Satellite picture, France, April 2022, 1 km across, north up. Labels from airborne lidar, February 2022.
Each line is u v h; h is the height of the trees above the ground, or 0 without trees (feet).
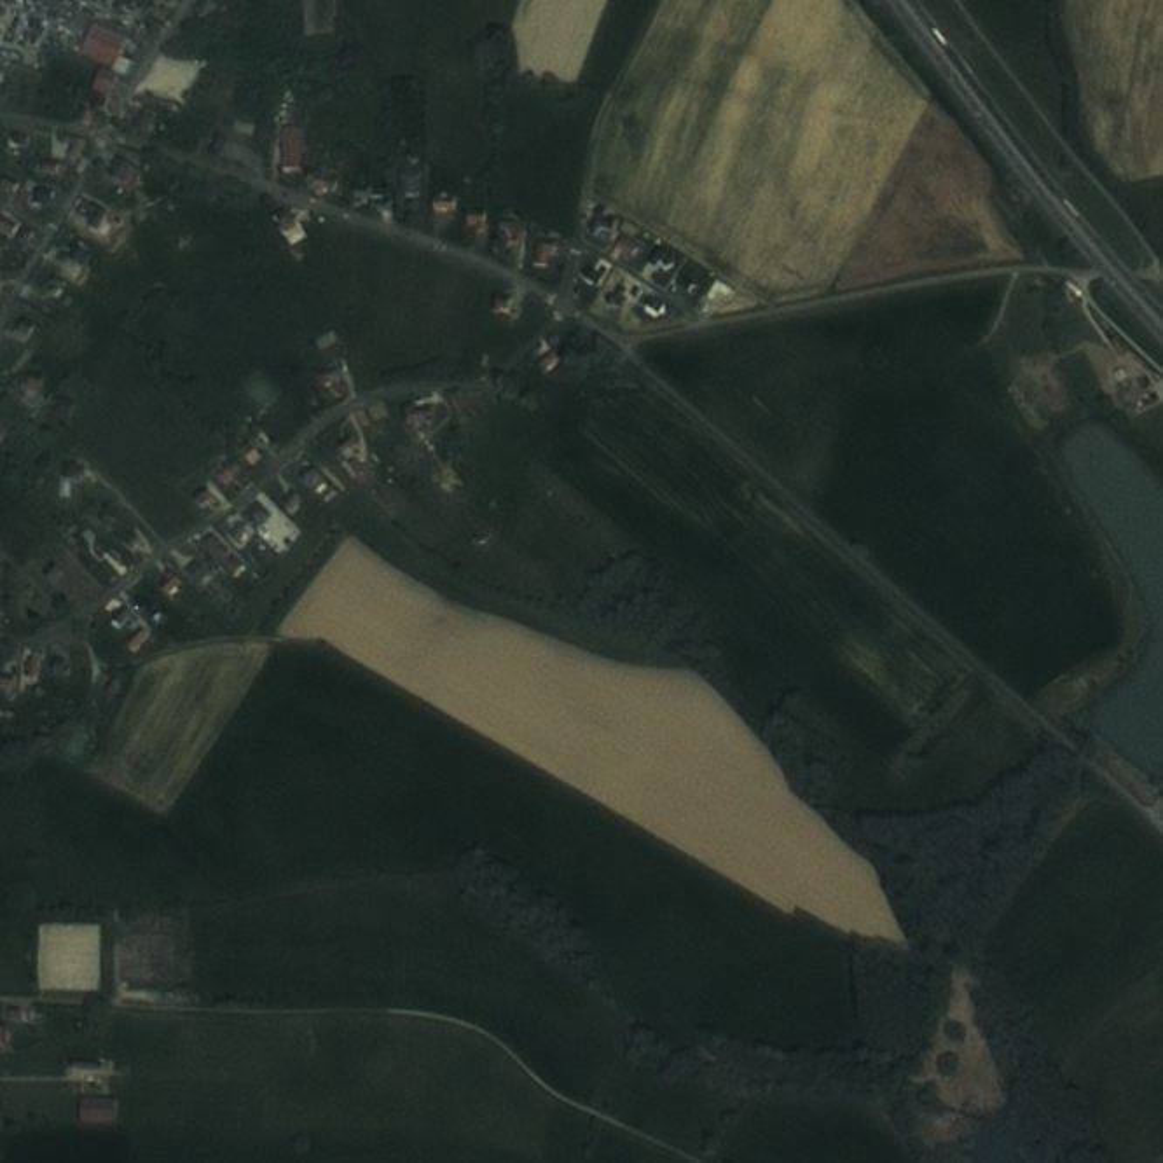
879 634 0
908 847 54
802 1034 0
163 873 0
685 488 0
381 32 0
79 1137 0
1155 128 0
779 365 0
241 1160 0
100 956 0
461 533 0
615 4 0
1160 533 0
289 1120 0
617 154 0
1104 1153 36
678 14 0
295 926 0
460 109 0
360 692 0
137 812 0
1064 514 0
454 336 0
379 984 0
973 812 60
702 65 0
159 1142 0
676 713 0
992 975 56
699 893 0
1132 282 0
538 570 0
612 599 28
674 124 0
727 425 0
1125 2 0
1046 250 0
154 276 0
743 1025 0
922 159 0
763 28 0
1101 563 0
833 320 0
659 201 0
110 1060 0
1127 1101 0
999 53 0
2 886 0
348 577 0
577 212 0
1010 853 76
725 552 0
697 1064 23
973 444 0
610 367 52
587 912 0
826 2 0
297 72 30
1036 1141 64
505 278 0
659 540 0
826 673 0
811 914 0
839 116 0
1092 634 0
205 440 0
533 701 0
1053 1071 48
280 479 0
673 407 0
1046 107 0
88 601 0
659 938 0
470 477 0
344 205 0
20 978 0
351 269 0
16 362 0
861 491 0
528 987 0
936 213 0
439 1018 0
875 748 0
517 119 0
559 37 0
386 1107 0
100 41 0
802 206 0
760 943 0
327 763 0
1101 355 0
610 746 0
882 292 0
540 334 0
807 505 0
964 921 82
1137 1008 0
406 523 0
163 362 23
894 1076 27
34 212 0
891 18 0
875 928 0
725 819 0
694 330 0
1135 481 0
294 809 0
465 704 0
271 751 0
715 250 0
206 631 0
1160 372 0
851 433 0
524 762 0
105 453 0
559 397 0
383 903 0
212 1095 0
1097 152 0
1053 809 81
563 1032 0
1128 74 0
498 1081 0
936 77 0
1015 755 0
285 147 0
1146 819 0
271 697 0
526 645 0
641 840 0
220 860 0
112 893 0
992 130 0
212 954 0
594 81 0
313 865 0
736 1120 50
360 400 0
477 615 0
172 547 0
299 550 0
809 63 0
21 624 0
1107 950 0
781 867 0
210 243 0
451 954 0
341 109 0
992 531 0
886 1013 58
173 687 0
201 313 0
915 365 0
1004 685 0
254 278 0
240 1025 0
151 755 0
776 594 0
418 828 0
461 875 23
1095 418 0
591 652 0
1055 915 0
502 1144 0
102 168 28
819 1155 0
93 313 0
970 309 0
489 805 0
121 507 0
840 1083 47
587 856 0
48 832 0
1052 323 18
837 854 0
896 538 0
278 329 0
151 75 0
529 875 0
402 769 0
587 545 0
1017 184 0
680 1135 0
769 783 0
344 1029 0
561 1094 0
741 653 0
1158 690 0
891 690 0
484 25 0
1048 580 0
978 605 0
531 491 0
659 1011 0
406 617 0
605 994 24
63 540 0
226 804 0
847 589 0
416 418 0
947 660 0
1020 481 0
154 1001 0
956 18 0
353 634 0
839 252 0
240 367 0
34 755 70
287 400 0
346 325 0
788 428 0
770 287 0
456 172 0
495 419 0
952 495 0
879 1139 0
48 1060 0
